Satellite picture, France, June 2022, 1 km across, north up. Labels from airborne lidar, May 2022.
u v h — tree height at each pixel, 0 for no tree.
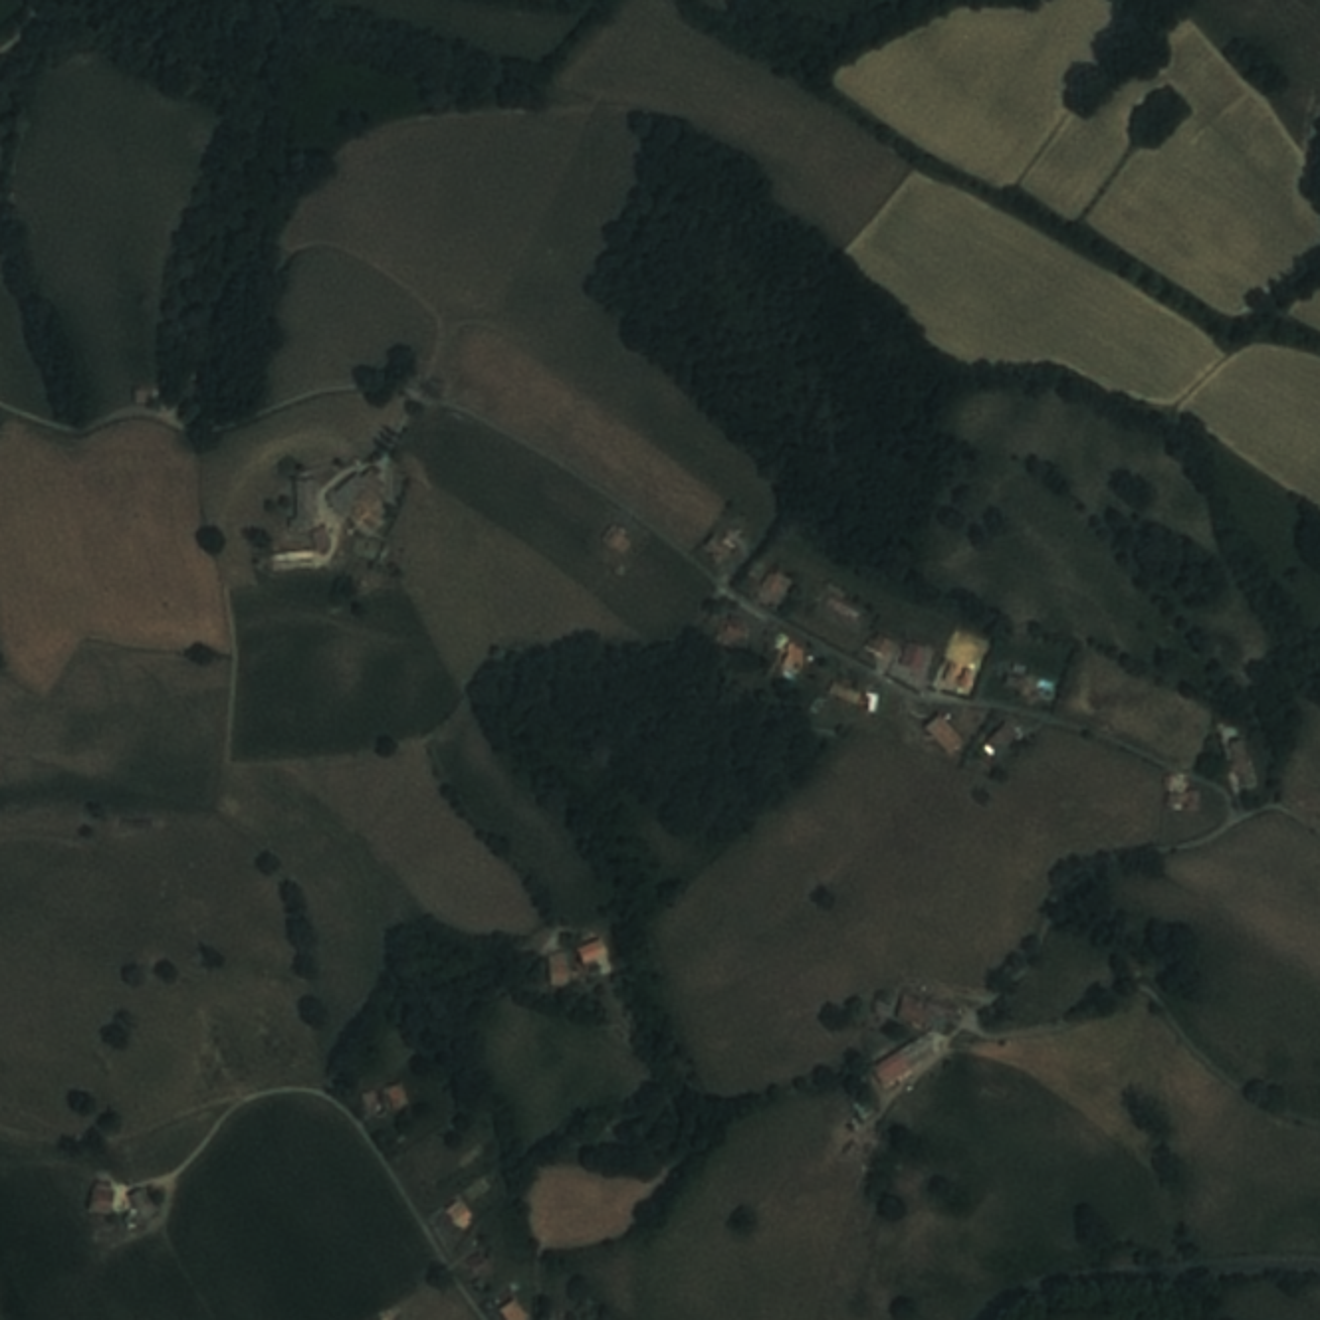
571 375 0
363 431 0
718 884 0
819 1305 0
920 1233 0
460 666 0
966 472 18
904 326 22
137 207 0
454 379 0
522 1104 0
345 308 0
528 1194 12
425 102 11
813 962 0
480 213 0
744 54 6
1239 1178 0
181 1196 0
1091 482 0
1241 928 0
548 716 18
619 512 0
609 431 0
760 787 21
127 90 0
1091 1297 28
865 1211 0
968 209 0
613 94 0
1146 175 0
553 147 0
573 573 0
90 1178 0
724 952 0
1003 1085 0
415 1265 0
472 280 0
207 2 11
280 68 26
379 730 0
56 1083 0
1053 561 0
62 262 0
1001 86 0
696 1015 0
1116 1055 0
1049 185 0
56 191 0
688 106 0
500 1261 0
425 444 0
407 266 0
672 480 0
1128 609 0
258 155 11
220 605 0
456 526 0
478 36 0
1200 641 19
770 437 18
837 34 19
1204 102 0
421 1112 7
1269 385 0
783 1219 0
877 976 0
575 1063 0
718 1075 0
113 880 0
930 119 0
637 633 0
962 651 0
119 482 0
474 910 0
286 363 0
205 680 0
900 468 27
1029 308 0
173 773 0
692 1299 0
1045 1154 0
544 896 12
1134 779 0
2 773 0
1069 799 0
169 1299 0
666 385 0
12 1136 0
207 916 0
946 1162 0
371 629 0
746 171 27
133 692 0
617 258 9
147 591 0
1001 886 0
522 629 0
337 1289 0
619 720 22
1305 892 0
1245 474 0
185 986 0
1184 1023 0
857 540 22
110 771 0
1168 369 0
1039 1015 0
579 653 23
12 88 17
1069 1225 0
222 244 13
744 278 11
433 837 0
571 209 0
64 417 15
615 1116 10
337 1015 0
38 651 0
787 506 14
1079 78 21
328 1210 0
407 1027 18
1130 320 0
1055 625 0
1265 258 0
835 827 0
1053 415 0
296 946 14
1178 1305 27
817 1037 0
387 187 0
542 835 0
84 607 0
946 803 0
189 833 0
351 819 0
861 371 14
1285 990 0
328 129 0
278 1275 0
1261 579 14
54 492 0
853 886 0
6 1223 0
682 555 0
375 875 0
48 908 0
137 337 0
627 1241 7
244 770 0
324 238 0
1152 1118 33
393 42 20
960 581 0
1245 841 0
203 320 17
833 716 0
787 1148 0
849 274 24
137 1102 0
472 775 0
